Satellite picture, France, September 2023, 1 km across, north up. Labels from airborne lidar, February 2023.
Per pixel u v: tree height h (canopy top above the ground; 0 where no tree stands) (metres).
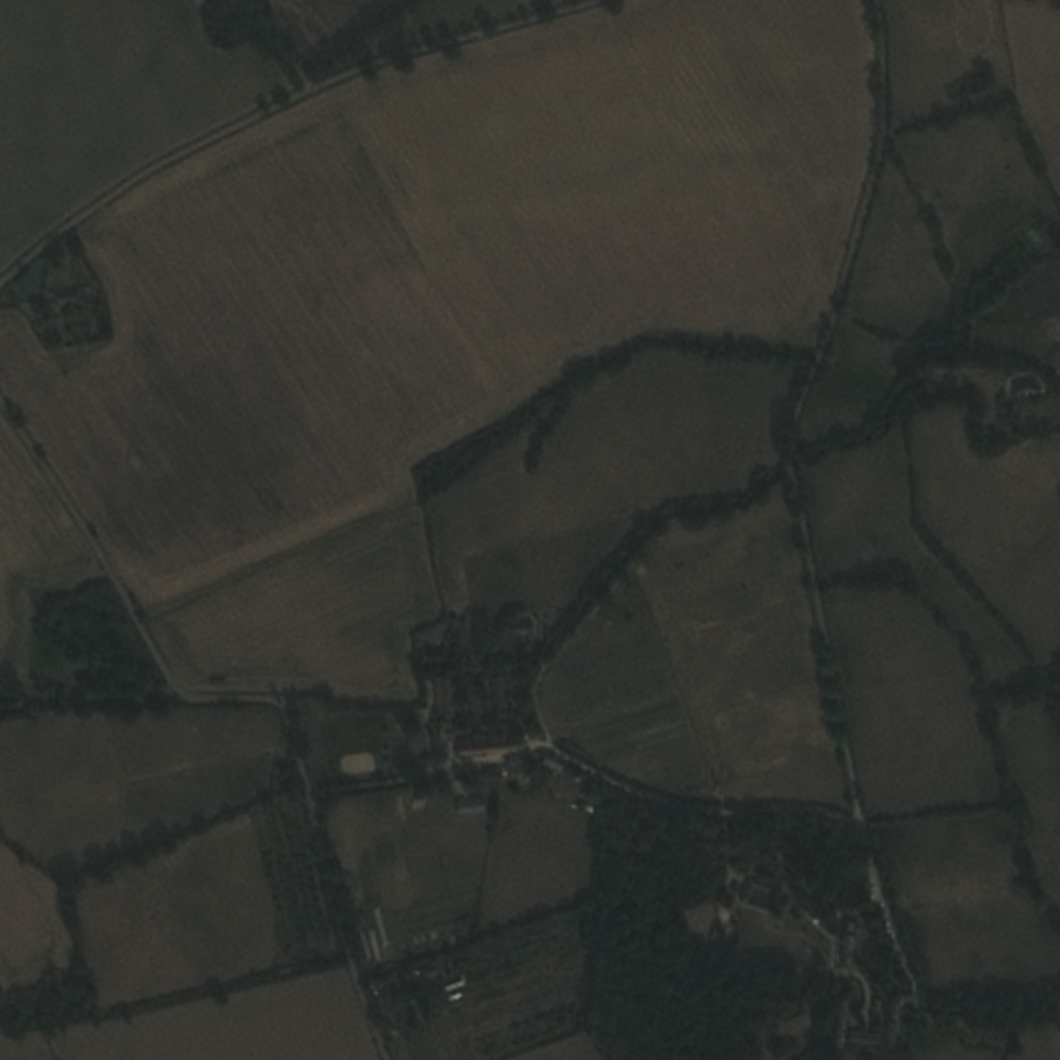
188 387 0
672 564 0
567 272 0
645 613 0
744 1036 18
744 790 0
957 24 0
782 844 16
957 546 0
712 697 0
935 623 10
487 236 0
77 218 0
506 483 0
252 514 0
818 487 0
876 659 0
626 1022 23
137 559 0
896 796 0
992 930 0
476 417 0
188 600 0
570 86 0
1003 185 0
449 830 0
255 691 0
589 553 0
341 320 0
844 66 0
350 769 0
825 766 0
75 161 0
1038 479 0
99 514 0
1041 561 0
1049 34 0
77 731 0
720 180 0
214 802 0
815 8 0
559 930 0
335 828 0
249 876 0
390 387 0
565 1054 0
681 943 20
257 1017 0
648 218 0
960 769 0
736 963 19
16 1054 0
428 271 0
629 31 0
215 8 17
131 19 0
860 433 9
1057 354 0
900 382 5
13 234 0
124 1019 12
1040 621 0
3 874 0
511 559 0
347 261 0
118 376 0
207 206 0
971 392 16
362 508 0
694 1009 21
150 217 0
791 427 22
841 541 0
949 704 0
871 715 0
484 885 0
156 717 9
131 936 0
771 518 0
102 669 5
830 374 0
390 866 0
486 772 7
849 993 9
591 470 0
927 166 0
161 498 0
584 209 0
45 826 0
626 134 0
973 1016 19
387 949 0
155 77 0
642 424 0
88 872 9
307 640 0
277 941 0
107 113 0
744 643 0
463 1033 0
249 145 0
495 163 0
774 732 0
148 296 0
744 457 0
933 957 0
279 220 0
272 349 0
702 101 0
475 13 0
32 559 0
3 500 0
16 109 0
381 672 0
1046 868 0
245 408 0
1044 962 0
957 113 13
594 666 0
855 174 0
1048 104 0
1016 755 0
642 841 21
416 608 0
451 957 7
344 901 20
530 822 0
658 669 0
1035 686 19
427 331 0
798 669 0
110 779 0
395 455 0
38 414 0
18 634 0
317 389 0
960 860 0
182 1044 0
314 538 0
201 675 0
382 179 0
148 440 0
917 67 0
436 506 0
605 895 22
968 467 0
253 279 0
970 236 0
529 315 0
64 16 0
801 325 0
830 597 0
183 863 0
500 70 0
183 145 0
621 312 0
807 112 0
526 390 0
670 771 0
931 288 0
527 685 6
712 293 0
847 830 21
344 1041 0
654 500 0
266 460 0
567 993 0
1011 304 0
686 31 0
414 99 0
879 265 0
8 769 0
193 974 0
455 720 6
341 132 0
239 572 0
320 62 15
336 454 0
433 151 0
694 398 0
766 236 0
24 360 0
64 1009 9
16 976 0
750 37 0
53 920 0
